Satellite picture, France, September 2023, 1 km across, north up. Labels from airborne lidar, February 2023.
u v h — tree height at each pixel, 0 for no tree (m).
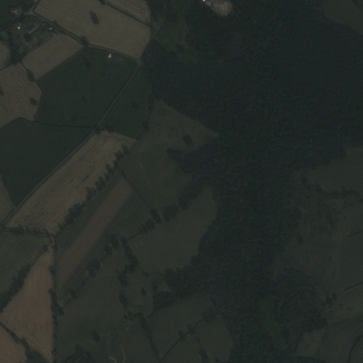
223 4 0
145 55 15
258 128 25
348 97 16
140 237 0
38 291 0
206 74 21
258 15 17
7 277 0
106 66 0
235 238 21
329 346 0
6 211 0
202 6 13
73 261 0
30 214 0
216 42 19
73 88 0
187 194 23
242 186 27
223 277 23
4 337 0
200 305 0
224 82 27
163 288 0
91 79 0
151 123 0
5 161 0
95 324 0
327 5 0
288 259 0
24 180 0
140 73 0
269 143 28
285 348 0
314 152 24
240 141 24
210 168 34
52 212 0
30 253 0
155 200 0
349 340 0
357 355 0
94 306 0
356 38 17
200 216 0
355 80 18
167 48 0
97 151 0
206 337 0
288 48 14
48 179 0
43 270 0
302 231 0
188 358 0
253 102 26
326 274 0
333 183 0
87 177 0
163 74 23
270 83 18
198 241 0
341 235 0
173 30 0
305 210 0
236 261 17
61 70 0
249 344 16
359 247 0
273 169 20
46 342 0
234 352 18
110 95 0
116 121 0
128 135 0
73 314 0
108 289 0
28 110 0
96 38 0
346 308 0
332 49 16
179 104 24
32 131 0
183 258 0
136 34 0
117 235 0
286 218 12
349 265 0
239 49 22
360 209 0
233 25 28
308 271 0
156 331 0
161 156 0
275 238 15
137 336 0
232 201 18
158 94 18
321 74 14
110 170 19
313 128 7
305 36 21
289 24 15
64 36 0
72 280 0
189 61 0
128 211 0
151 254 0
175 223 0
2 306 9
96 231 0
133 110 0
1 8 0
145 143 0
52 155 0
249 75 29
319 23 22
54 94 0
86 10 0
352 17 0
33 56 0
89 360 8
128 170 0
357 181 0
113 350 0
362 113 13
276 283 12
